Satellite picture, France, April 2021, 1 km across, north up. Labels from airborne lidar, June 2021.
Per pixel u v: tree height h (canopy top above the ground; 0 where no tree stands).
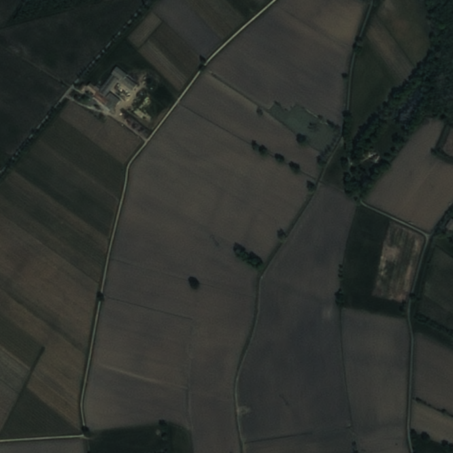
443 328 10
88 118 0
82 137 0
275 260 0
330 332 0
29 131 0
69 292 0
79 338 0
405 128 6
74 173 0
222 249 0
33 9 11
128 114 0
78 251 0
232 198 0
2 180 10
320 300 0
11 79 0
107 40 0
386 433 0
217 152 0
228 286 0
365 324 0
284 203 0
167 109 0
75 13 0
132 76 0
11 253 0
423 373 0
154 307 0
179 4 0
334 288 0
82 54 0
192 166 0
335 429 0
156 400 0
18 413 0
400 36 0
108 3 0
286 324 0
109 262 0
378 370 0
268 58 0
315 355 0
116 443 0
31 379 0
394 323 0
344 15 0
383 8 0
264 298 0
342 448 0
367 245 0
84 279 0
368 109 0
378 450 0
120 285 0
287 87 0
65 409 0
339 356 0
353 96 0
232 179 0
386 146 0
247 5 0
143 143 0
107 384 0
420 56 0
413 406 0
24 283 0
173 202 0
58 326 0
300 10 0
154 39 0
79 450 0
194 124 0
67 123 0
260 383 0
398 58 0
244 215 0
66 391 0
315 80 0
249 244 0
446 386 0
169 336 0
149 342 0
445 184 0
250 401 0
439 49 8
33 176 0
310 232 0
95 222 0
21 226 0
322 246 0
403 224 0
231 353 0
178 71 0
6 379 0
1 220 0
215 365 0
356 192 18
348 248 0
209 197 0
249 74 0
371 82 0
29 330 0
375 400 0
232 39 0
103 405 0
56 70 0
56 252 0
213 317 0
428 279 0
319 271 0
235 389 0
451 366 0
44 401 0
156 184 0
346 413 0
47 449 0
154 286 0
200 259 0
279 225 0
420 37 0
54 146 0
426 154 0
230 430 0
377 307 0
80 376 0
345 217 0
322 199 0
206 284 0
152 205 0
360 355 0
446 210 0
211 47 0
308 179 0
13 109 0
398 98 23
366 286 0
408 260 0
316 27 0
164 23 0
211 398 0
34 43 0
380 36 0
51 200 0
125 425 0
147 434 0
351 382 0
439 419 0
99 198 0
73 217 0
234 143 0
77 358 0
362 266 0
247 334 0
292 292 0
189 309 0
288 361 0
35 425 0
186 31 0
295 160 0
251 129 0
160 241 0
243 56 0
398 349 0
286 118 0
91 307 0
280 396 0
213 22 0
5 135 0
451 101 27
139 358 0
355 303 0
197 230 0
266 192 0
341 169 0
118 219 0
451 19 15
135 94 0
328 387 0
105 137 0
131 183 0
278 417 0
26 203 0
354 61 0
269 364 0
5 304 0
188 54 0
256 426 0
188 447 0
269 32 0
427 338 0
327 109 0
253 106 0
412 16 0
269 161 0
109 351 0
